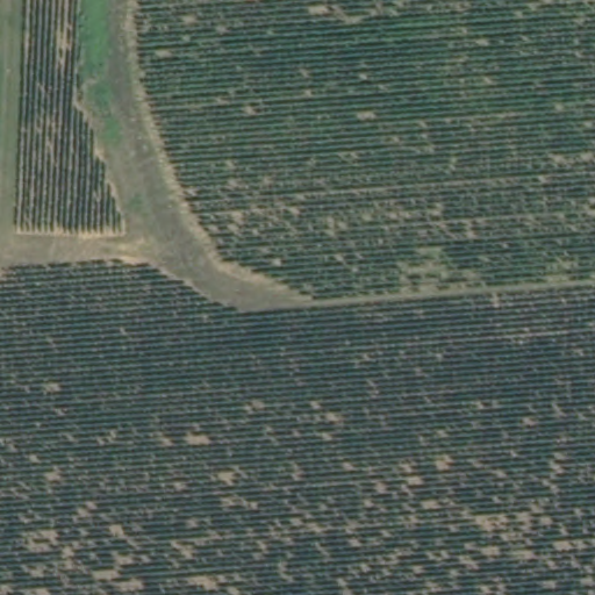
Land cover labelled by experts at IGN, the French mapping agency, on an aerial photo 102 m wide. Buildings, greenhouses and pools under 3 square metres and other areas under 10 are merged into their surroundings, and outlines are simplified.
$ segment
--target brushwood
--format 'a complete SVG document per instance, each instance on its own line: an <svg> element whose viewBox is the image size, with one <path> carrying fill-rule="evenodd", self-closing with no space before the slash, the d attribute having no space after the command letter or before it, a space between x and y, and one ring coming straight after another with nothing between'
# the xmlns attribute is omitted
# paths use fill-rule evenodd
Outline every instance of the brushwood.
<svg viewBox="0 0 595 595"><path fill-rule="evenodd" d="M77 63L77 70L81 79L72 86L72 107L84 116L86 126L95 132L93 149L109 144L116 146L121 139L121 126L116 119L116 107L112 105L112 86L107 72L107 0L79 0L81 16L77 37L81 44L81 60Z"/></svg>

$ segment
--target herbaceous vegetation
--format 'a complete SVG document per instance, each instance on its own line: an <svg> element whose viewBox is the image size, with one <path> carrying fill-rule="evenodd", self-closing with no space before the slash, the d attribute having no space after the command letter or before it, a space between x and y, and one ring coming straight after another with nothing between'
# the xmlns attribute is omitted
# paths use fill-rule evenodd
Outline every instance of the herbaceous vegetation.
<svg viewBox="0 0 595 595"><path fill-rule="evenodd" d="M279 284L279 279L258 274L237 263L223 263L214 246L214 239L205 232L198 216L191 212L186 198L195 195L195 188L179 184L174 165L170 163L170 156L165 151L165 139L160 137L156 119L151 114L146 88L142 84L144 72L137 58L139 53L135 30L135 14L139 9L137 0L107 0L107 72L112 86L112 105L116 107L116 119L121 126L121 139L116 146L109 144L93 149L93 156L105 165L105 184L109 186L114 207L121 218L116 228L65 230L60 225L21 228L12 223L16 186L14 156L19 130L16 116L21 60L21 0L0 0L0 267L7 272L7 267L12 265L105 260L107 265L112 265L114 260L121 260L130 265L149 265L172 281L181 281L209 302L237 307L239 311L314 304L316 298L300 295L295 288Z"/></svg>

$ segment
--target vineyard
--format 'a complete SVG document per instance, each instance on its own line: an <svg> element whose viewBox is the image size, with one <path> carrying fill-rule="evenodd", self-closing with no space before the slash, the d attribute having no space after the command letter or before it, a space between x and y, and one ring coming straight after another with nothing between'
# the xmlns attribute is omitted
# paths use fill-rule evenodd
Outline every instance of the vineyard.
<svg viewBox="0 0 595 595"><path fill-rule="evenodd" d="M139 9L135 14L135 30L139 53L137 58L144 72L142 84L146 88L151 114L156 119L160 137L165 139L165 151L170 156L170 163L174 165L179 184L195 188L195 195L186 198L191 212L198 216L205 232L214 239L214 246L223 263L237 263L258 274L279 279L279 284L295 288L300 295L316 298L314 304L239 311L237 307L209 302L181 281L172 281L149 265L130 265L121 260L114 260L112 265L107 265L105 260L12 265L7 267L7 272L0 267L0 595L595 595L595 0L137 0Z"/></svg>
<svg viewBox="0 0 595 595"><path fill-rule="evenodd" d="M72 86L81 79L77 70L77 63L81 60L81 44L77 37L81 16L79 0L21 0L21 60L16 116L19 130L14 156L16 186L12 223L21 228L60 225L65 230L116 228L121 218L114 207L109 186L105 184L105 165L93 156L93 149L95 132L86 126L84 116L72 107Z"/></svg>

